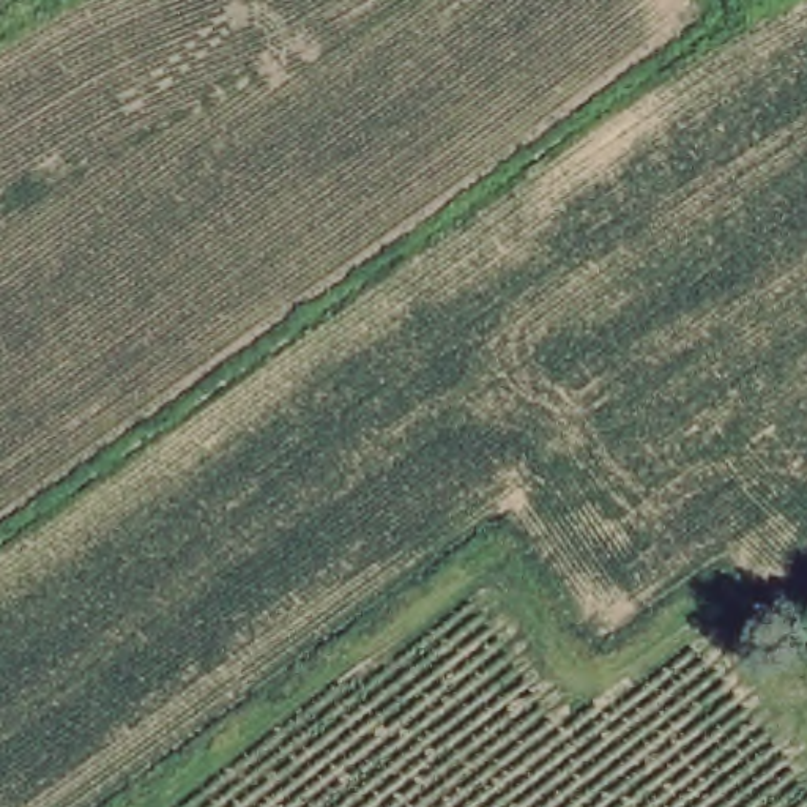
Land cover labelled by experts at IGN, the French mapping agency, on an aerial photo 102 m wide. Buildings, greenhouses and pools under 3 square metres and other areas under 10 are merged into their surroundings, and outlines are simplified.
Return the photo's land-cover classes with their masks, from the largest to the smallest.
<instances>
[{"label":"agricultural land","instance_id":"1","mask_svg":"<svg viewBox=\"0 0 807 807\"><path fill-rule=\"evenodd\" d=\"M697 13L694 0H88L85 6L63 13L60 19L16 44H9L0 35V523L28 508L38 495H47L69 473L85 467V460L101 457L120 435L142 426L161 407L177 400L186 388H192L202 375L227 363L268 328L293 315L299 306L318 299L325 290L340 284L353 268L378 255L388 243L426 224L470 186H476L482 177H489L517 148L539 139L558 120L571 117L580 104L599 95L605 85H612L618 76H624L634 63L649 57L668 38H675ZM495 514H511L530 533L542 561L574 589L583 618L596 621L599 634H612L640 605H659L671 589L690 586L697 577L712 580L731 574L734 567H744L757 577H782L788 558L807 571V0H804L794 3L788 16L766 19L757 25L753 35H747L734 38L725 47H716L712 54L694 57L678 79L653 88L627 110L608 117L602 126L586 132L552 164L533 167L511 195H501L492 208L479 211L467 230H454L438 246L404 262L391 277L366 290L337 318L309 331L293 350L281 353L252 378H246L230 394L202 410L195 419L164 435L154 448L145 451V457L132 460L113 479L95 485L69 511L47 520L38 533L0 552V807H88L98 801L101 791L120 782V775L132 782L139 775H148V760L154 753L180 747V738H186L202 719L218 712L221 706L243 697L274 662H284L299 643L328 634L363 599L375 596L388 580L413 571L422 558L438 555L448 542L460 539L463 533H470Z\"/></svg>","mask_w":807,"mask_h":807},{"label":"vineyard","instance_id":"2","mask_svg":"<svg viewBox=\"0 0 807 807\"><path fill-rule=\"evenodd\" d=\"M492 605H498V593L492 589L489 596H476L470 602L457 596L451 605H444L438 615L419 624L410 637H404L375 668H369L359 678L350 668L325 681L296 709H290L274 725L258 731L249 744L230 753L214 772H208L199 785L183 791L167 807H807V775L801 766L804 744H791V738L775 741L782 706L760 703V697L738 678L741 659L734 656L722 653L709 637L700 634V627L687 621L681 630H675V640L681 646L671 649L653 668H646L637 681L618 678L596 697L593 706L577 703L567 709L552 681L539 678L526 653V643L517 634V624L511 618L492 615Z\"/></svg>","mask_w":807,"mask_h":807},{"label":"herbaceous vegetation","instance_id":"3","mask_svg":"<svg viewBox=\"0 0 807 807\"><path fill-rule=\"evenodd\" d=\"M88 0H0V35L9 44H16L60 19L63 13L85 6ZM697 13L675 38H668L649 57L634 63L624 76H618L612 85H605L599 95L580 104L571 117L558 120L539 139L517 148L489 177H482L476 186H470L426 224L388 243L378 255L353 268L340 284L325 290L318 299L299 306L293 315L268 328L227 363L202 375L192 388H186L177 400L161 407L142 426L120 435L101 457L85 460V467L69 473L47 495H38L28 508L0 523V552L38 533L47 520L69 511L95 485L113 479L132 460L145 457V451L154 448L164 435L195 419L202 410L230 394L246 378H252L281 353L293 350L309 331L337 318L366 290L391 277L404 262L438 246L454 230H467L479 211L492 208L501 195H511L533 167L552 164L586 132L602 126L608 117L627 110L653 88L678 79L694 57L712 54L716 47H725L734 38L747 35V13H738L731 0H694ZM492 589L498 593V605H492V615L511 618L517 624V634L526 643V653L539 678L552 681L567 709L577 703L593 706L596 697L618 678L637 681L646 668H653L671 649L681 646L675 640V630H681L687 621L700 627V634L709 637L722 653L734 656L744 624H766L769 605L775 599L788 596L807 602V571L788 558L782 577H757L744 567H734L731 574L712 580L697 577L690 586L671 589L659 605H640L612 634H599L596 621L583 618L574 589L542 561L530 533L511 514H495L470 533H463L460 539L448 542L438 555L422 558L413 571L388 580L375 596L363 599L328 634L299 643L284 662H274L243 697L221 706L218 712L202 719L186 738H180V747L154 753L148 760V775H139L132 782L120 775V782L101 791L98 801L88 807H167L183 791L199 785L208 772H214L230 753L249 744L258 731L274 725L290 709H296L325 681L350 668L359 678L369 668H375L404 637H410L419 624L438 615L444 605H451L457 596L470 602L476 596H489ZM738 678L760 697V703L782 706L775 741L791 738V744H804L801 766L807 775V662H794L791 671H775L772 662L763 659V653H750L741 659Z\"/></svg>","mask_w":807,"mask_h":807},{"label":"deciduous trees","instance_id":"4","mask_svg":"<svg viewBox=\"0 0 807 807\"><path fill-rule=\"evenodd\" d=\"M750 653H763V659L772 662L775 671H791L794 662H807V602L788 596L775 599L769 605L766 624H744L734 656L741 659Z\"/></svg>","mask_w":807,"mask_h":807},{"label":"brushwood","instance_id":"5","mask_svg":"<svg viewBox=\"0 0 807 807\"><path fill-rule=\"evenodd\" d=\"M794 3L804 0H731L738 13H747V35H753L757 25L766 19L788 16Z\"/></svg>","mask_w":807,"mask_h":807}]
</instances>
